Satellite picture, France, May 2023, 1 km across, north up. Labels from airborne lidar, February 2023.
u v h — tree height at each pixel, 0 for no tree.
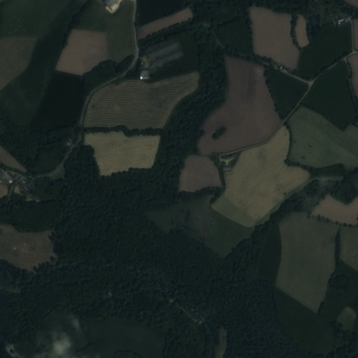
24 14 0
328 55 0
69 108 0
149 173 15
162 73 0
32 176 11
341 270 0
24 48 0
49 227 13
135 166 0
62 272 20
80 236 13
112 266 17
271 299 16
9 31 0
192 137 15
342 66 0
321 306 10
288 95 0
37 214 20
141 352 0
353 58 0
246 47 0
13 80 0
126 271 14
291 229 0
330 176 0
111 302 16
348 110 0
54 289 18
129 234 16
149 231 17
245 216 0
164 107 0
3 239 0
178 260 14
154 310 12
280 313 0
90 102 0
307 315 0
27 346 0
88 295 18
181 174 0
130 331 0
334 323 10
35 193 0
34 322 13
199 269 17
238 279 17
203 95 7
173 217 0
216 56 18
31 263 0
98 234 13
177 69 0
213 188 10
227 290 7
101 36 0
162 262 17
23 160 10
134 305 16
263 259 0
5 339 9
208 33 18
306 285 0
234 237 0
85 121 0
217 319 13
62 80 0
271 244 0
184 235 14
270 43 0
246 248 23
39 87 0
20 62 0
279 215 27
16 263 0
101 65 16
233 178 0
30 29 0
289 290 0
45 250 0
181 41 0
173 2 0
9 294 9
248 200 0
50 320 0
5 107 0
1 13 0
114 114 0
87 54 0
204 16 35
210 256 14
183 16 0
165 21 0
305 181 0
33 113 0
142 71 0
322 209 0
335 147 0
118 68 20
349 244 0
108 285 10
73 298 17
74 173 11
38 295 15
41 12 0
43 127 0
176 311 18
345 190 15
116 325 0
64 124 0
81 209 21
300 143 0
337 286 14
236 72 0
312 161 0
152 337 0
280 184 0
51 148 18
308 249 0
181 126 6
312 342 0
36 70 0
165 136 15
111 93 0
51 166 0
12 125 16
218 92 24
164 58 0
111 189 27
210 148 0
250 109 0
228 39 0
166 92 0
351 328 0
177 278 18
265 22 0
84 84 15
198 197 12
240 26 0
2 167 13
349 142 0
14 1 0
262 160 0
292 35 12
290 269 0
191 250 13
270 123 0
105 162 0
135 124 0
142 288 41
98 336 0
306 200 9
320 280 0
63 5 0
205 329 15
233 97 0
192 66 0
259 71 0
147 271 27
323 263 0
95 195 27
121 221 16
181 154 20
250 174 0
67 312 16
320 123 0
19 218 20
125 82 0
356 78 0
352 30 0
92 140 0
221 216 0
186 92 0
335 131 0
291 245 0
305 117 0
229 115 0
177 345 14
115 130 12
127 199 19
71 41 0
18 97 0
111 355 0
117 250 23
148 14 0
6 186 0
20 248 0
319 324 0
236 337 26
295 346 15
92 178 6
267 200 0
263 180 0
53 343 0
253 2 15
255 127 0
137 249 20
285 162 9
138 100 0
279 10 17
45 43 0
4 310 15
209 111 13
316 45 0
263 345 17
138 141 0
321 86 0
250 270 18
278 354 14
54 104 0
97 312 20
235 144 0
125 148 0
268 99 0
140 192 15
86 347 12
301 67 0
